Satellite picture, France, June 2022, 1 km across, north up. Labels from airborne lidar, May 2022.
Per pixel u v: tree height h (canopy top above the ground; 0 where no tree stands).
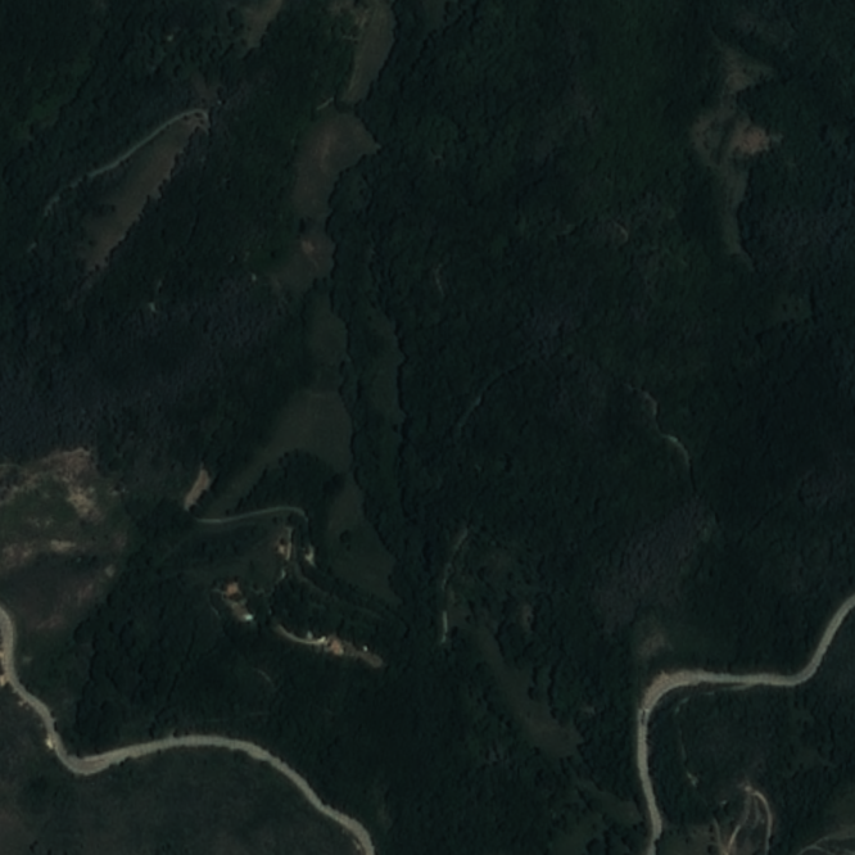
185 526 15
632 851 6
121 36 15
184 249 17
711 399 23
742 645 14
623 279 18
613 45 15
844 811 0
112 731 15
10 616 0
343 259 24
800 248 12
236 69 15
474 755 11
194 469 10
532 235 16
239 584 9
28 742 0
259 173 14
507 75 16
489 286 15
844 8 11
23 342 11
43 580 0
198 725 8
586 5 15
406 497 14
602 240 19
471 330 12
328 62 9
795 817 9
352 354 17
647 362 13
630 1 16
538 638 8
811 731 8
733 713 7
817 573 8
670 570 15
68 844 0
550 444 17
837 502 13
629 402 15
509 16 19
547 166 9
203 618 6
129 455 12
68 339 18
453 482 19
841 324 24
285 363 21
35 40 19
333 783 23
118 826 0
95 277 12
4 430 16
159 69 11
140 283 13
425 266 6
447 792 12
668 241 14
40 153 22
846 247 23
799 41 11
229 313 20
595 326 17
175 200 16
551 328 14
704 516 13
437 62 15
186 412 16
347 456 0
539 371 11
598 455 13
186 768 0
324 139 0
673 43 19
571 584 13
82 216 6
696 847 0
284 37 11
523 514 16
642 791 10
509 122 15
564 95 7
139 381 20
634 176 17
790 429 21
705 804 13
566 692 17
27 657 0
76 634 14
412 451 15
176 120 0
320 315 0
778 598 15
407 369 17
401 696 19
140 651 12
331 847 0
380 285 9
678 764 14
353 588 10
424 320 12
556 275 14
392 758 12
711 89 6
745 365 28
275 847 0
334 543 0
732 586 13
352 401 20
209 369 17
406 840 21
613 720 13
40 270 10
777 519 13
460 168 14
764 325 18
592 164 9
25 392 16
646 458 12
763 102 20
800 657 20
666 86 18
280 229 13
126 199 0
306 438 0
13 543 0
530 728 0
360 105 17
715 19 15
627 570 11
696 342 16
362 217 15
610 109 12
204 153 13
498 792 10
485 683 18
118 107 10
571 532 8
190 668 8
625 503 12
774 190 15
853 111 20
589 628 11
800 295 7
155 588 6
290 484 12
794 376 15
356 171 15
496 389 12
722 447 23
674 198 13
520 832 9
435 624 24
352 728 13
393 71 21
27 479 0
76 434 17
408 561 27
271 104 17
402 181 7
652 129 15
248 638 15
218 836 0
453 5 12
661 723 10
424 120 12
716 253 22
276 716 11
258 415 24
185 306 12
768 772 7
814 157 16
